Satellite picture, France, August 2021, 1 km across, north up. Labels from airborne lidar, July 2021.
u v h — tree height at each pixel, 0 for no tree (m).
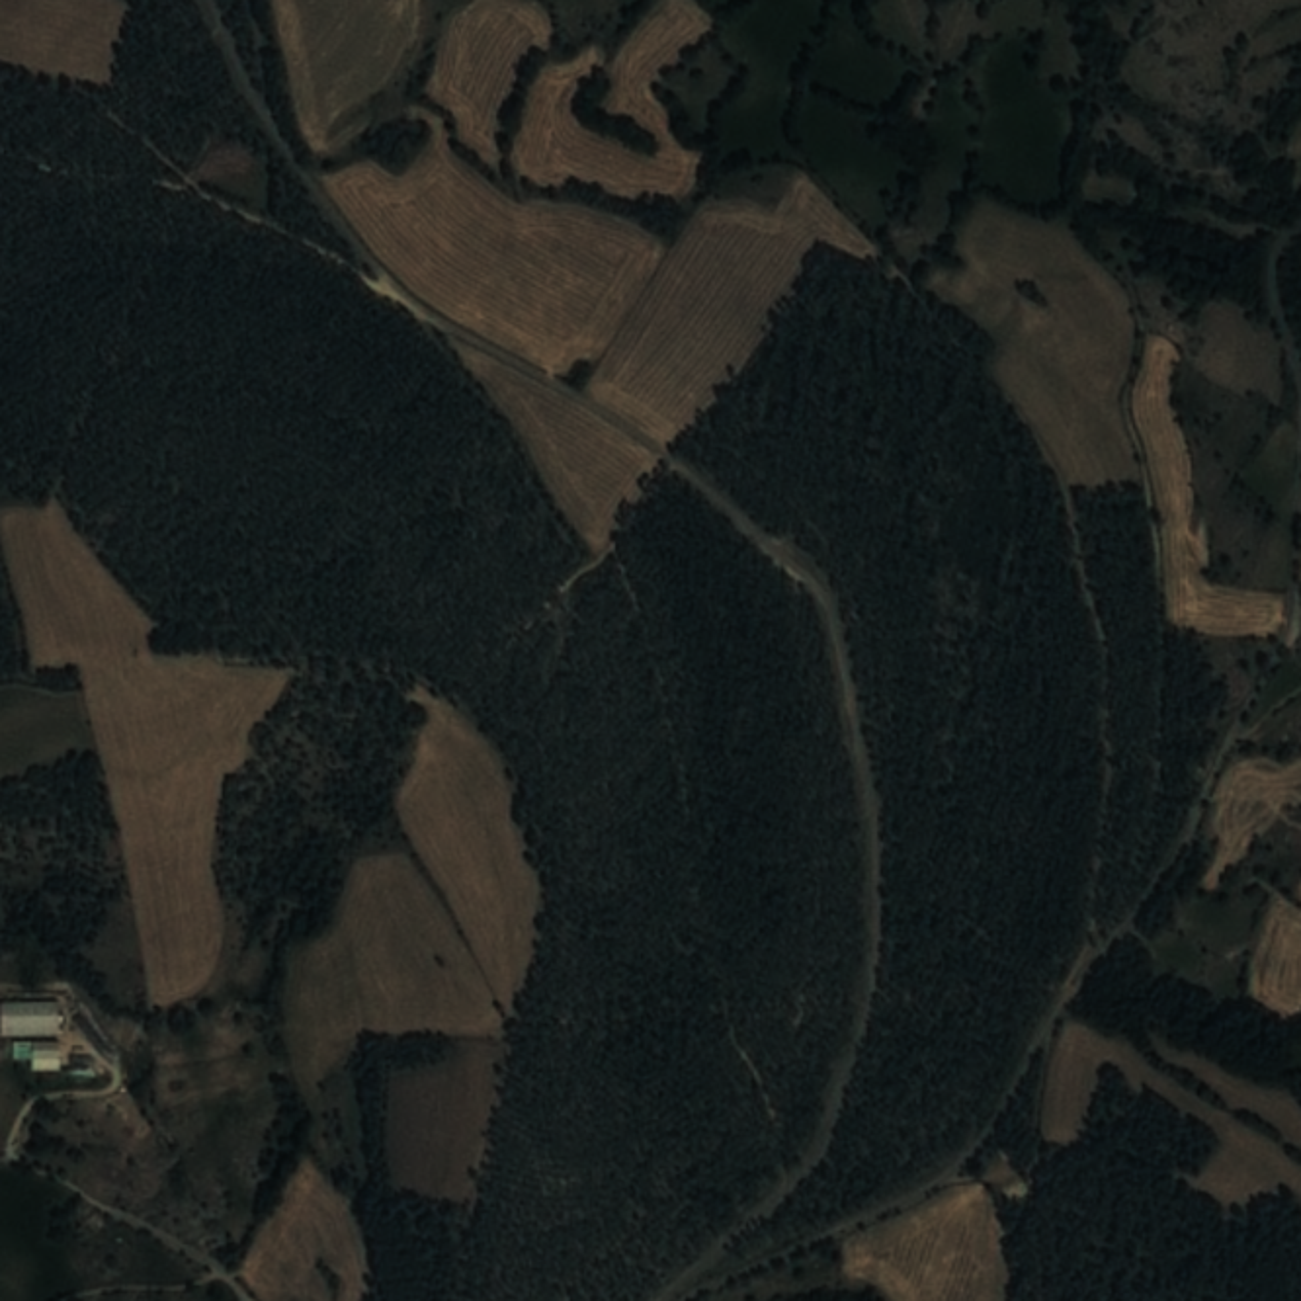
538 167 0
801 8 0
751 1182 15
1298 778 0
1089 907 13
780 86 0
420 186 0
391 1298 16
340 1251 0
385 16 0
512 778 12
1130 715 14
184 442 9
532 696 11
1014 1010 18
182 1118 0
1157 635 13
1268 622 0
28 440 15
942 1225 0
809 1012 10
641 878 13
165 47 14
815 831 13
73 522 10
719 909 14
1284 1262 18
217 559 13
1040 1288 9
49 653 0
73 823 6
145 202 14
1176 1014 20
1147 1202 15
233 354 11
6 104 14
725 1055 13
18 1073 6
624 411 0
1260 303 11
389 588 10
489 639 14
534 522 10
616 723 9
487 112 0
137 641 0
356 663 12
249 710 0
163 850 0
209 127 10
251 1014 0
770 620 12
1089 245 12
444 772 0
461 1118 0
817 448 15
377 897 0
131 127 13
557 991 10
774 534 9
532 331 0
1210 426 9
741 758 14
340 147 0
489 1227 11
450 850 0
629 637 10
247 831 6
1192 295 13
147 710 0
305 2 0
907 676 13
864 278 16
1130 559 15
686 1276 0
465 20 0
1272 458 0
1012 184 0
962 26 0
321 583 14
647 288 0
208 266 14
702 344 0
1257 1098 0
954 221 8
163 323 13
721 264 0
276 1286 0
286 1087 12
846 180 0
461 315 0
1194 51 0
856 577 11
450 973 0
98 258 15
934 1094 13
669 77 11
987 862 15
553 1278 11
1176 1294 14
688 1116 14
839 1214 12
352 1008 0
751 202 0
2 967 0
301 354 13
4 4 0
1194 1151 12
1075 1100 0
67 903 7
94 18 0
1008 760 16
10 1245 0
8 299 12
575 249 0
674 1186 13
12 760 0
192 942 0
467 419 11
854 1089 13
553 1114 11
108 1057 0
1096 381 0
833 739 10
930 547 12
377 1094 13
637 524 13
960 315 13
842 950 13
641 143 17
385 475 13
